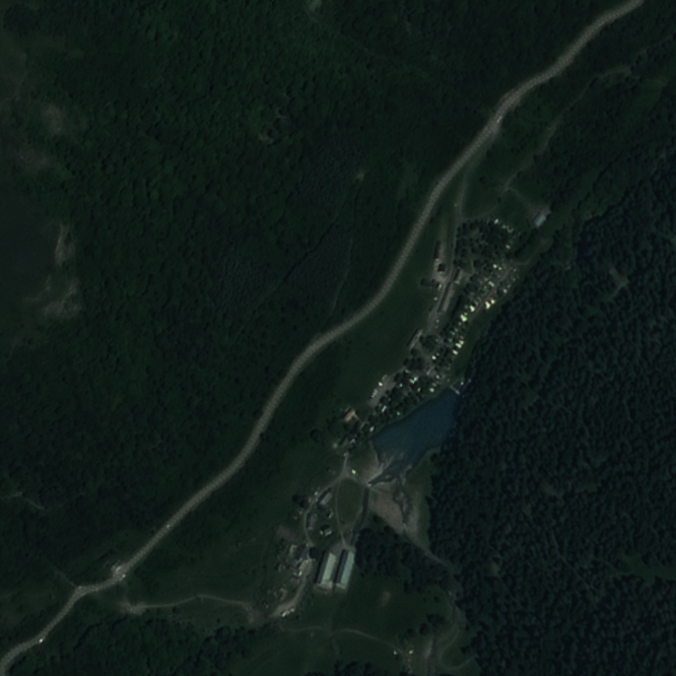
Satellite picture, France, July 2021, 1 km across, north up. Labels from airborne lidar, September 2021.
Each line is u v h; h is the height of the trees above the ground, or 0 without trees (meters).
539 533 31
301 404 11
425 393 12
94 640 23
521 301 27
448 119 8
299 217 12
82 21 7
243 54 20
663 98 8
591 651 40
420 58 8
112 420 12
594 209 28
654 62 16
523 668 17
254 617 0
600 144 16
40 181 11
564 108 11
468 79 15
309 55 31
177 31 27
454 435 9
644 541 27
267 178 21
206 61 18
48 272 0
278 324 10
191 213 10
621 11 0
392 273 0
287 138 22
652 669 15
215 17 18
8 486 21
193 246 22
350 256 7
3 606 7
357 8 15
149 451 16
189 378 14
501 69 25
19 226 0
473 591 11
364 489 0
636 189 30
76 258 8
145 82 6
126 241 22
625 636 17
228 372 6
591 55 11
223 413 12
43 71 7
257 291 24
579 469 25
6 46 0
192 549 8
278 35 22
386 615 0
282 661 0
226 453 9
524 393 21
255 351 11
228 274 25
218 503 6
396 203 11
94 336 19
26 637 12
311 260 26
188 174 25
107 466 19
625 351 32
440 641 0
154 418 20
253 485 7
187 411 13
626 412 27
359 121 25
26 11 12
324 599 0
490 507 10
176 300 29
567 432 21
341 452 0
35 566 14
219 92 30
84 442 21
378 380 0
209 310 28
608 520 22
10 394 10
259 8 23
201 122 17
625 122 7
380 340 0
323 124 19
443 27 23
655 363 14
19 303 0
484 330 0
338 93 21
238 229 27
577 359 32
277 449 8
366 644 0
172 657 24
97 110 24
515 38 20
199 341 24
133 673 24
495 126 0
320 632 0
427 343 16
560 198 11
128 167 28
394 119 11
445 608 0
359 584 0
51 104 7
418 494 0
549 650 18
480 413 28
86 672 16
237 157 21
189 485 21
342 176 23
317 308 11
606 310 22
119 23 12
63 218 11
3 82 0
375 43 8
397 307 0
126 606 0
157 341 19
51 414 8
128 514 9
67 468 19
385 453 0
